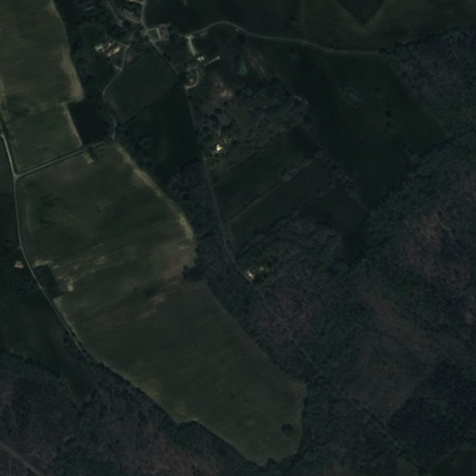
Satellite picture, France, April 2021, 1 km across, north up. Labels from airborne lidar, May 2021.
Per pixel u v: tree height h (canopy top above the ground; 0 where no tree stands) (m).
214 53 0
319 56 0
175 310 0
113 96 0
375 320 11
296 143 0
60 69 0
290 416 0
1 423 9
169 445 11
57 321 0
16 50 0
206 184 14
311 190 0
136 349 0
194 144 0
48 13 0
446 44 24
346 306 17
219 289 15
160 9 0
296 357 14
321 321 14
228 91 0
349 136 0
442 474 0
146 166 19
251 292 18
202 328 0
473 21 0
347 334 16
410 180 14
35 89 0
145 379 0
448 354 15
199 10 0
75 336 9
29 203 0
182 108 0
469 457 0
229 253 6
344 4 0
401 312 17
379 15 0
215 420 0
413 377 10
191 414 0
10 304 0
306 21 0
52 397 11
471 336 15
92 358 13
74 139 0
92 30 0
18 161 0
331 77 0
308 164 13
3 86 0
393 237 13
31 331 0
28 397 12
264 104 13
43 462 13
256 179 0
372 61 0
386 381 8
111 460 13
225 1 0
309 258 16
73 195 0
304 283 15
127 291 0
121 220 0
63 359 0
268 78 0
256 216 0
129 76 0
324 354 15
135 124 0
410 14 0
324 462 16
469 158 18
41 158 0
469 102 17
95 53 0
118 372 0
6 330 0
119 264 0
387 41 0
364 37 0
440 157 19
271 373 0
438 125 0
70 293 0
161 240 0
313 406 22
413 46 13
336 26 0
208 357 0
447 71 8
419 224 13
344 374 14
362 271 16
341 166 0
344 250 0
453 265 19
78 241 0
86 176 0
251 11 0
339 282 23
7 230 0
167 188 13
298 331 8
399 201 24
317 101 0
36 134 0
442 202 14
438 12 0
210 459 13
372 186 0
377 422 16
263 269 0
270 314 8
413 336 9
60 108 0
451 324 17
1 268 0
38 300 0
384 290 21
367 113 0
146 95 0
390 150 0
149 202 0
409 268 11
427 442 17
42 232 0
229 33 0
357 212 0
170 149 0
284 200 0
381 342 10
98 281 0
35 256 0
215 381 0
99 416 20
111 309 0
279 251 16
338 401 9
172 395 0
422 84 19
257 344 15
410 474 0
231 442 0
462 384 16
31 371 16
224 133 13
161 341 0
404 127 0
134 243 0
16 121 0
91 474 15
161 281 0
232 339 0
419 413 19
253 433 0
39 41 0
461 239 8
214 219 15
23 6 0
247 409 0
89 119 0
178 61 0
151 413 15
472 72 24
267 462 0
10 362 18
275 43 0
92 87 12
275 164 0
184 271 8
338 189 0
